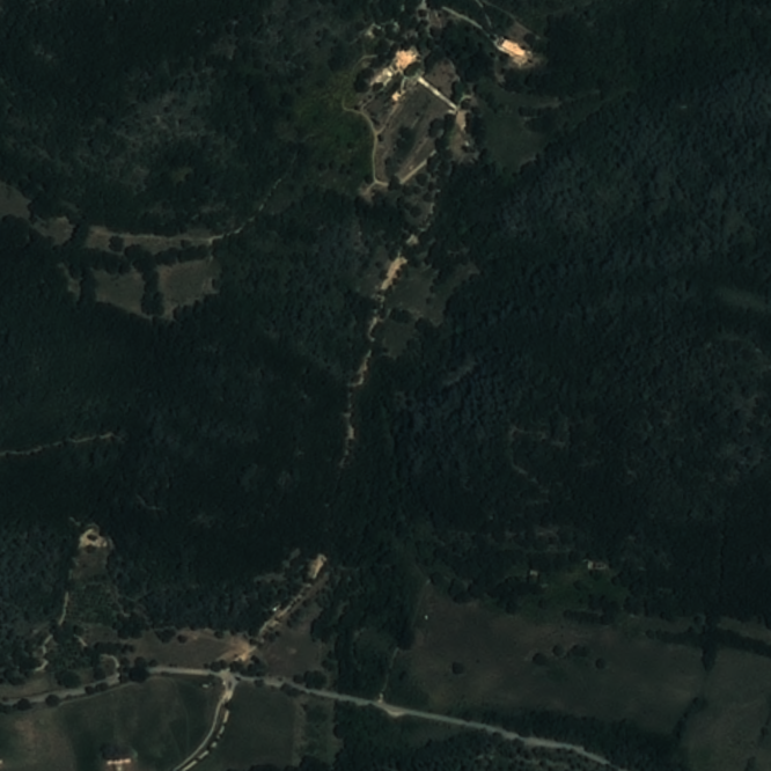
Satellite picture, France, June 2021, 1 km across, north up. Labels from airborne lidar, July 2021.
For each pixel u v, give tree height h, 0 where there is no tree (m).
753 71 10
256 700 0
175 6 12
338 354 10
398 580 7
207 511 8
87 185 11
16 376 7
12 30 12
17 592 10
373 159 0
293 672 0
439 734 0
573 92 10
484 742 14
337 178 0
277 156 9
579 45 10
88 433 7
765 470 10
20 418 7
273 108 8
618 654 0
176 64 8
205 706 0
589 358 13
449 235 9
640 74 7
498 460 10
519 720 15
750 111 11
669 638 13
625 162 17
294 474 18
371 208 10
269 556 14
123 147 10
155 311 14
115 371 13
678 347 12
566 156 6
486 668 0
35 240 13
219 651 0
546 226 9
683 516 11
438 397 17
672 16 11
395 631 9
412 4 13
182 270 0
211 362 14
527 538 9
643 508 10
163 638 14
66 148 8
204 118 8
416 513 12
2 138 9
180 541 12
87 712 0
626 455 6
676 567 12
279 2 0
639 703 0
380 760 15
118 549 12
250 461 10
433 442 15
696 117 13
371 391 13
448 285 0
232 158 6
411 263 10
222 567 12
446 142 14
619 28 9
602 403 12
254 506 13
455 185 16
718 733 0
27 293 11
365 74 12
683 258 16
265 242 6
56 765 0
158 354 14
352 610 16
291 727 0
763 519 15
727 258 8
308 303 15
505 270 17
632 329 15
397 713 0
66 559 9
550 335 10
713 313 10
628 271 13
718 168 13
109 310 17
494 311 8
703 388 14
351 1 11
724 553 15
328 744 0
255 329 16
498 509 12
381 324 12
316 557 11
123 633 13
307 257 11
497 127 0
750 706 0
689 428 9
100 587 6
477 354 10
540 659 13
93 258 16
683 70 16
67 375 9
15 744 0
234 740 0
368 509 16
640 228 12
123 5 16
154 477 9
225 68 13
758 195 15
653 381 10
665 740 10
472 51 16
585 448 11
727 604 18
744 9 8
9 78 10
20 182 13
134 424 15
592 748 11
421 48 16
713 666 8
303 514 11
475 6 8
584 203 9
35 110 7
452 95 7
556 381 7
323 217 8
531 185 7
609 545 14
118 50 13
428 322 9
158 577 10
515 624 0
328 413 14
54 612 19
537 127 15
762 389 8
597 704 0
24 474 18
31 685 0
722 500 8
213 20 16
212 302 14
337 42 13
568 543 8
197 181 9
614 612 13
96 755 0
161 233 14
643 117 10
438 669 0
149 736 0
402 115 0
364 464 17
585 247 11
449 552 10
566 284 11
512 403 14
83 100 16
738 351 6
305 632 0
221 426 19
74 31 12
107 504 16
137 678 17
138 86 9
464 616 0
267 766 9
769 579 17
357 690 14
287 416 16
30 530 22
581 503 14
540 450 17
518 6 7
